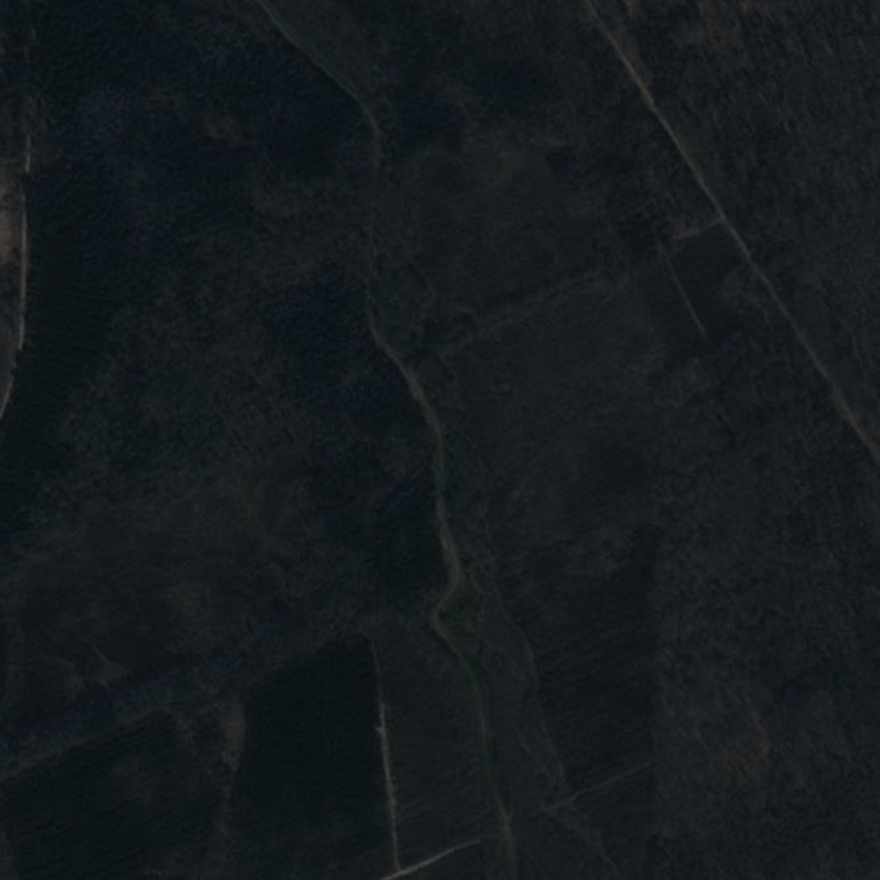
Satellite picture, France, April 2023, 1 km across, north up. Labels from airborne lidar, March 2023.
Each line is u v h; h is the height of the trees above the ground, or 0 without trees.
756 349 31
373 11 15
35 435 10
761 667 13
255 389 22
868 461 23
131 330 17
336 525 22
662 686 20
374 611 21
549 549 6
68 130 20
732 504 26
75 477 15
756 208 21
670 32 8
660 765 23
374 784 12
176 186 20
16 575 20
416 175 15
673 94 18
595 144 21
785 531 21
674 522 23
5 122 9
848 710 22
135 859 6
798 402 23
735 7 19
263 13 13
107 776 6
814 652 22
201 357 17
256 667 14
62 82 20
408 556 22
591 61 20
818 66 21
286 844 12
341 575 23
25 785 6
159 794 6
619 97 21
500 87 22
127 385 18
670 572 26
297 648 15
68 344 11
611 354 0
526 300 16
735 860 28
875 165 24
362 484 17
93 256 23
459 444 20
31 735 23
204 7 24
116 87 22
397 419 23
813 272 24
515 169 0
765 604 21
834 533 23
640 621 7
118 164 20
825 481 23
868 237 22
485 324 11
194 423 22
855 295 20
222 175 18
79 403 17
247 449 23
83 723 20
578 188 23
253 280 12
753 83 21
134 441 22
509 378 9
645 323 0
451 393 23
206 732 6
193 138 23
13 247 0
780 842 23
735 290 21
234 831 11
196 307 15
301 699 13
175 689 19
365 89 18
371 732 12
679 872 25
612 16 18
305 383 20
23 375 13
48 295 11
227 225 13
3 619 23
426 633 23
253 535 0
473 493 20
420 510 19
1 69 8
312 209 11
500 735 11
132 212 22
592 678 7
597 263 8
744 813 26
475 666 0
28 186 16
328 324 19
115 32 24
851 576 22
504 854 10
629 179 19
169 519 0
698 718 28
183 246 19
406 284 27
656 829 18
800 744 23
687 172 16
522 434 0
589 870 10
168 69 24
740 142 19
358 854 9
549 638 8
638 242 19
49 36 22
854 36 20
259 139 20
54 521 19
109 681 0
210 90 22
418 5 20
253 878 8
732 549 23
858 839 21
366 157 22
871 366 21
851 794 22
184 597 0
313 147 23
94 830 7
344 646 12
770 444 24
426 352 23
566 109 21
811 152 23
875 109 25
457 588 0
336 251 23
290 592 8
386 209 18
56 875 6
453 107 16
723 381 22
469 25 24
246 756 8
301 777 11
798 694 22
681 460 21
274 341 15
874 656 24
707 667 26
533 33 19
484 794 19
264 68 20
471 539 21
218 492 0
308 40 7
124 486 20
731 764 26
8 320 24
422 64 15
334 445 18
